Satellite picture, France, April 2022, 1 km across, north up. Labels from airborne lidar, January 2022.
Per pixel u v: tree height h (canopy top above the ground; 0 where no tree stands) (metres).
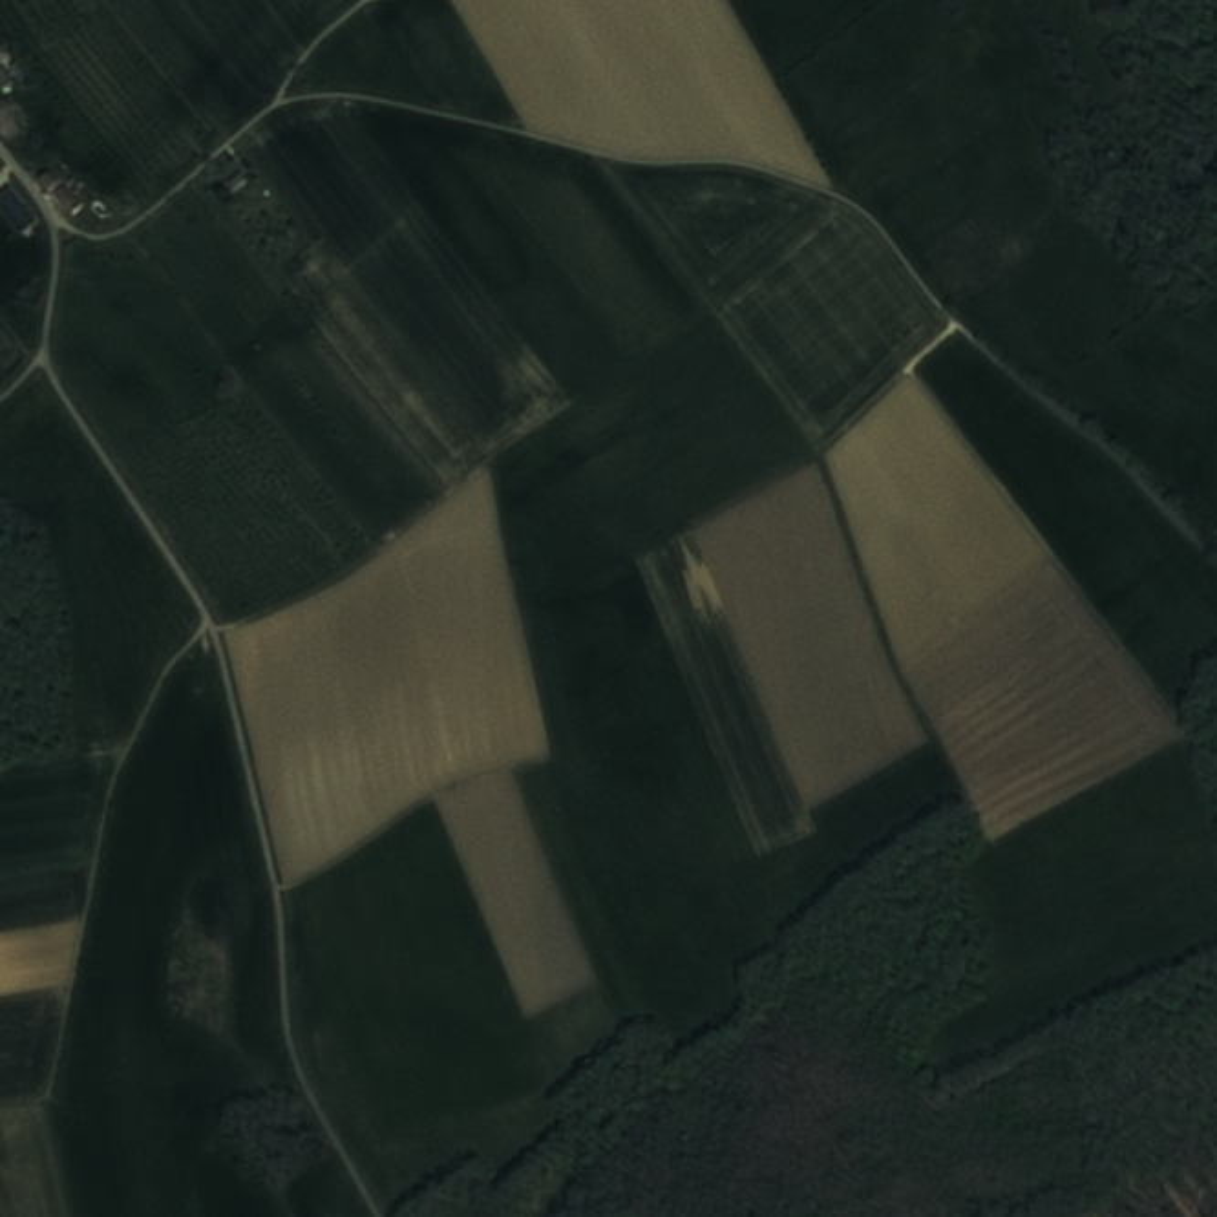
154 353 0
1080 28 0
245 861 0
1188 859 0
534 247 0
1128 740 0
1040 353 0
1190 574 0
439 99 0
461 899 0
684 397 0
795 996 18
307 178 0
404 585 0
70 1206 0
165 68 0
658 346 0
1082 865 0
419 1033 0
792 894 0
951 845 25
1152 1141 28
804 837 0
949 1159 17
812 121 0
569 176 0
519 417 0
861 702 0
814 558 0
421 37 0
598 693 0
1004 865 0
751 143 0
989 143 0
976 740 0
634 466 0
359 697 0
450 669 0
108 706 0
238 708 0
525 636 0
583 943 0
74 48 0
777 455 0
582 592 0
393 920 0
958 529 0
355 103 0
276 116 0
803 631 0
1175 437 0
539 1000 0
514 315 0
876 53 0
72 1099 0
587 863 0
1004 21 0
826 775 0
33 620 23
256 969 0
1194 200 25
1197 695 18
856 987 18
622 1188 26
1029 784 0
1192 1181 32
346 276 0
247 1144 23
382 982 0
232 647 0
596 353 0
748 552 0
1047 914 0
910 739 0
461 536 0
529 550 0
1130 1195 28
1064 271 0
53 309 0
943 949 24
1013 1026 0
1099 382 0
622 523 0
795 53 0
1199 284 24
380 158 0
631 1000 0
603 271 0
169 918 0
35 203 0
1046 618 0
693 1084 19
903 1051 18
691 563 0
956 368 0
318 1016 0
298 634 0
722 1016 0
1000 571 0
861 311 0
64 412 0
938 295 0
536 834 0
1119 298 0
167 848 0
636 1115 28
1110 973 0
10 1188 0
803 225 0
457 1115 0
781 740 0
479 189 0
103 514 0
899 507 0
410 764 0
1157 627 0
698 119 0
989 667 0
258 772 0
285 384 0
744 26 0
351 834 0
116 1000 0
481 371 0
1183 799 0
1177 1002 22
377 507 0
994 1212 24
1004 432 0
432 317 0
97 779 0
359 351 0
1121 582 0
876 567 0
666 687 0
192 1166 0
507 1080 0
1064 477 0
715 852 0
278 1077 0
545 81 0
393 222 0
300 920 0
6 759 24
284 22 0
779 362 0
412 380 0
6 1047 0
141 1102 0
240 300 0
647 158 0
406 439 0
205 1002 0
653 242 0
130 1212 0
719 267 0
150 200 0
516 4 0
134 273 0
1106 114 15
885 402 0
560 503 0
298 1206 0
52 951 0
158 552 0
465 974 0
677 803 0
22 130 0
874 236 0
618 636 0
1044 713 0
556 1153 25
